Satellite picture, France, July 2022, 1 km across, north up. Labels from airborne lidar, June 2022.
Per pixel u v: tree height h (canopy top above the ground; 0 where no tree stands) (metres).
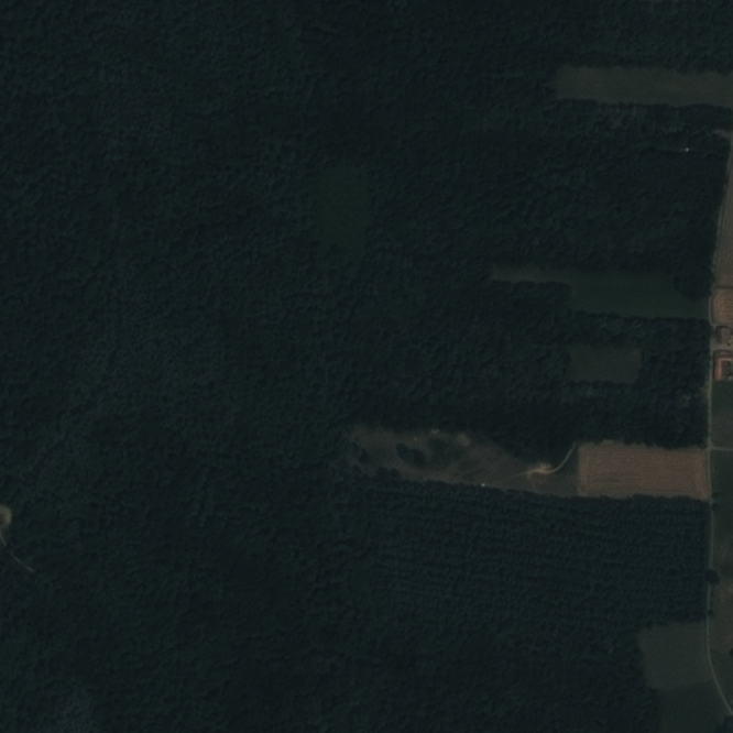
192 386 19
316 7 26
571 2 22
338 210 0
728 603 0
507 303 13
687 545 18
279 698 29
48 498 17
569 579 8
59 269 27
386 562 18
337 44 21
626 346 14
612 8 16
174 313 25
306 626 33
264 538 26
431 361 15
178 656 13
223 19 23
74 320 22
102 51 18
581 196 16
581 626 16
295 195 27
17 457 22
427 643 16
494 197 26
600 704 16
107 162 19
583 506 15
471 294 16
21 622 15
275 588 28
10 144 23
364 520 16
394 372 14
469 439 0
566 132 21
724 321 0
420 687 17
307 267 10
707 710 0
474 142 21
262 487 30
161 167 18
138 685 12
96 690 15
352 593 11
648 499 14
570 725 18
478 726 12
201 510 26
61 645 28
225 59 25
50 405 25
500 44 19
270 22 22
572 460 0
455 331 15
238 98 21
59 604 17
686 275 22
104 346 24
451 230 21
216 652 15
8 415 25
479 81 18
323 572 12
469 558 14
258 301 24
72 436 19
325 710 22
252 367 27
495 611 17
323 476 23
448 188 23
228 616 21
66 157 12
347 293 17
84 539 23
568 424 25
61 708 23
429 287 13
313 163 17
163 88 17
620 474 0
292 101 22
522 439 22
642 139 14
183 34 25
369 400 25
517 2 17
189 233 28
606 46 16
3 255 23
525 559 18
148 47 18
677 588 16
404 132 23
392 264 27
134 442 23
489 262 17
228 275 26
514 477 0
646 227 23
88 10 10
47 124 21
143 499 24
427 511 14
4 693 25
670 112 19
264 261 21
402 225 23
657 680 0
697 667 0
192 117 23
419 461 17
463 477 0
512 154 26
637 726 25
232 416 22
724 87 0
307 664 33
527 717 20
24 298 24
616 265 16
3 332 20
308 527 21
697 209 16
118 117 22
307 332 19
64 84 18
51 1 22
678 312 0
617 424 21
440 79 20
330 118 17
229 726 25
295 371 23
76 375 19
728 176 16
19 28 22
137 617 22
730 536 0
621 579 16
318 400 26
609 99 0
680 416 22
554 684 15
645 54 18
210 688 12
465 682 14
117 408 22
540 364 19
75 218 19
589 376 0
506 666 15
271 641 26
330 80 24
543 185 24
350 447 22
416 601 15
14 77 23
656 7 15
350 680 23
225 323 24
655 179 20
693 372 13
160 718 17
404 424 23
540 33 16
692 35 19
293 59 23
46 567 18
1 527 0
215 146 27
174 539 22
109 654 21
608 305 0
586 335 21
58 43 23
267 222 21
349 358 20
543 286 13
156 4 20
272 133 22
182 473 29
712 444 0
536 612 18
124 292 18
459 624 9
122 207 18
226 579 23
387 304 19
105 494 8
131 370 20
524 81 20
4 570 6
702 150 18
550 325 19
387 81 26
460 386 20
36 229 17
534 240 19
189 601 20
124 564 23
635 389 15
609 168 21
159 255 17
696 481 0
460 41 24
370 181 8
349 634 23
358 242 0
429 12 26
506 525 15
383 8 26
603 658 17
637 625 15
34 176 16
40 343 24
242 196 28
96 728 22
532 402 22
